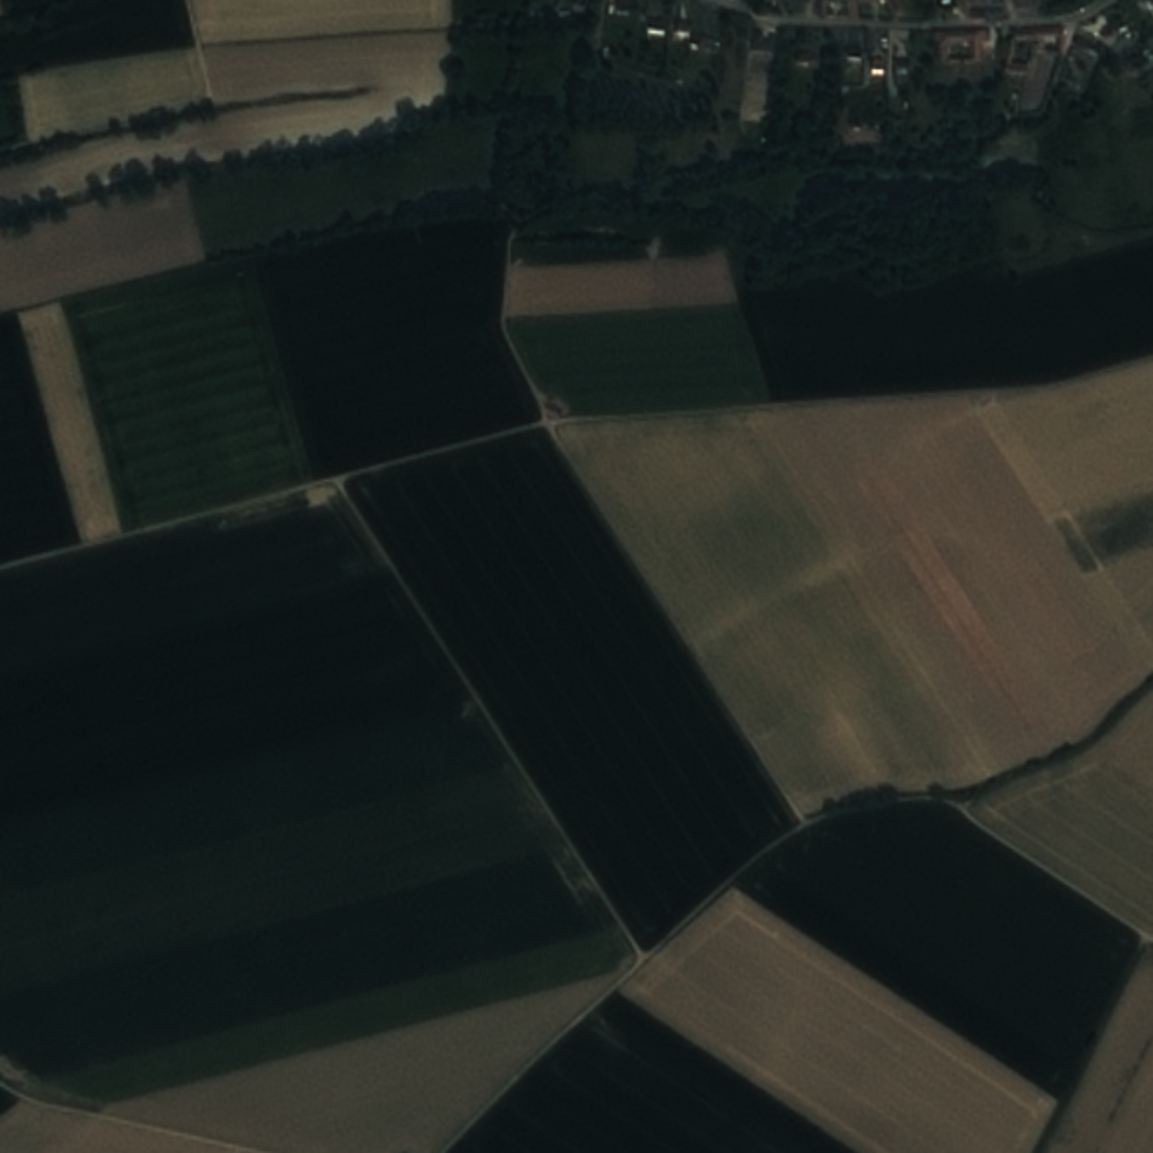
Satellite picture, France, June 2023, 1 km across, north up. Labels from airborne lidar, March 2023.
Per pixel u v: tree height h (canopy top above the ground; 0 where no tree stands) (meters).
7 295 0
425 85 0
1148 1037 0
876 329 0
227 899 0
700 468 0
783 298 0
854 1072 0
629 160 0
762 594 0
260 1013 0
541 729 0
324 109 0
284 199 0
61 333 0
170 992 0
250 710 0
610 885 0
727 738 0
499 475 0
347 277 0
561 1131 0
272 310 0
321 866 0
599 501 0
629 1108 0
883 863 0
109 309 0
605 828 0
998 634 0
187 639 0
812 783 0
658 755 0
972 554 0
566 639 0
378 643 0
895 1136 0
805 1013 0
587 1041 0
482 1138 0
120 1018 0
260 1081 0
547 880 0
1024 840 0
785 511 0
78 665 0
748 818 0
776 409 0
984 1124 0
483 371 0
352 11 0
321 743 0
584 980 0
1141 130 0
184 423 0
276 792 0
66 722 0
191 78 0
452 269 0
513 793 0
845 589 0
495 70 0
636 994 0
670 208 23
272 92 0
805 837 0
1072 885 0
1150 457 0
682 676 0
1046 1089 0
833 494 0
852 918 0
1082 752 0
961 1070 0
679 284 0
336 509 0
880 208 27
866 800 13
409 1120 0
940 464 0
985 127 14
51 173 0
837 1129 0
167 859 0
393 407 0
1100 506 0
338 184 0
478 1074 0
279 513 0
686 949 0
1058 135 0
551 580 0
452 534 0
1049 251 0
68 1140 0
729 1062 0
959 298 0
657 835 0
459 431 0
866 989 0
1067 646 0
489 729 0
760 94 0
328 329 0
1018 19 0
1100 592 0
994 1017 0
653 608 0
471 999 0
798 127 14
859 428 0
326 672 0
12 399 0
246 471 0
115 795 0
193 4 0
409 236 0
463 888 0
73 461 0
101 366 0
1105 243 0
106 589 0
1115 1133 0
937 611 0
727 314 0
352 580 0
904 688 0
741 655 0
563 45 0
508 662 0
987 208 16
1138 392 0
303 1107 0
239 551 0
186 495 0
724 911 0
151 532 0
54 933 0
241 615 0
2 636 0
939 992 0
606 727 0
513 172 25
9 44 0
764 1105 0
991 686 0
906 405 0
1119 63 22
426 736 0
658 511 0
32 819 0
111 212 0
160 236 0
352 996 0
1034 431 0
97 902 0
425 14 0
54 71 0
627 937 0
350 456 0
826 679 0
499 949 0
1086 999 0
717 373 0
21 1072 0
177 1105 0
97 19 0
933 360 0
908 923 0
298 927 0
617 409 0
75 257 0
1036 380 0
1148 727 0
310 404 0
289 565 0
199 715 0
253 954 0
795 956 0
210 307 0
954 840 0
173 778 0
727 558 0
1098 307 0
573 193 22
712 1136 0
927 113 0
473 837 0
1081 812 0
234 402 0
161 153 0
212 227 0
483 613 0
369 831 0
